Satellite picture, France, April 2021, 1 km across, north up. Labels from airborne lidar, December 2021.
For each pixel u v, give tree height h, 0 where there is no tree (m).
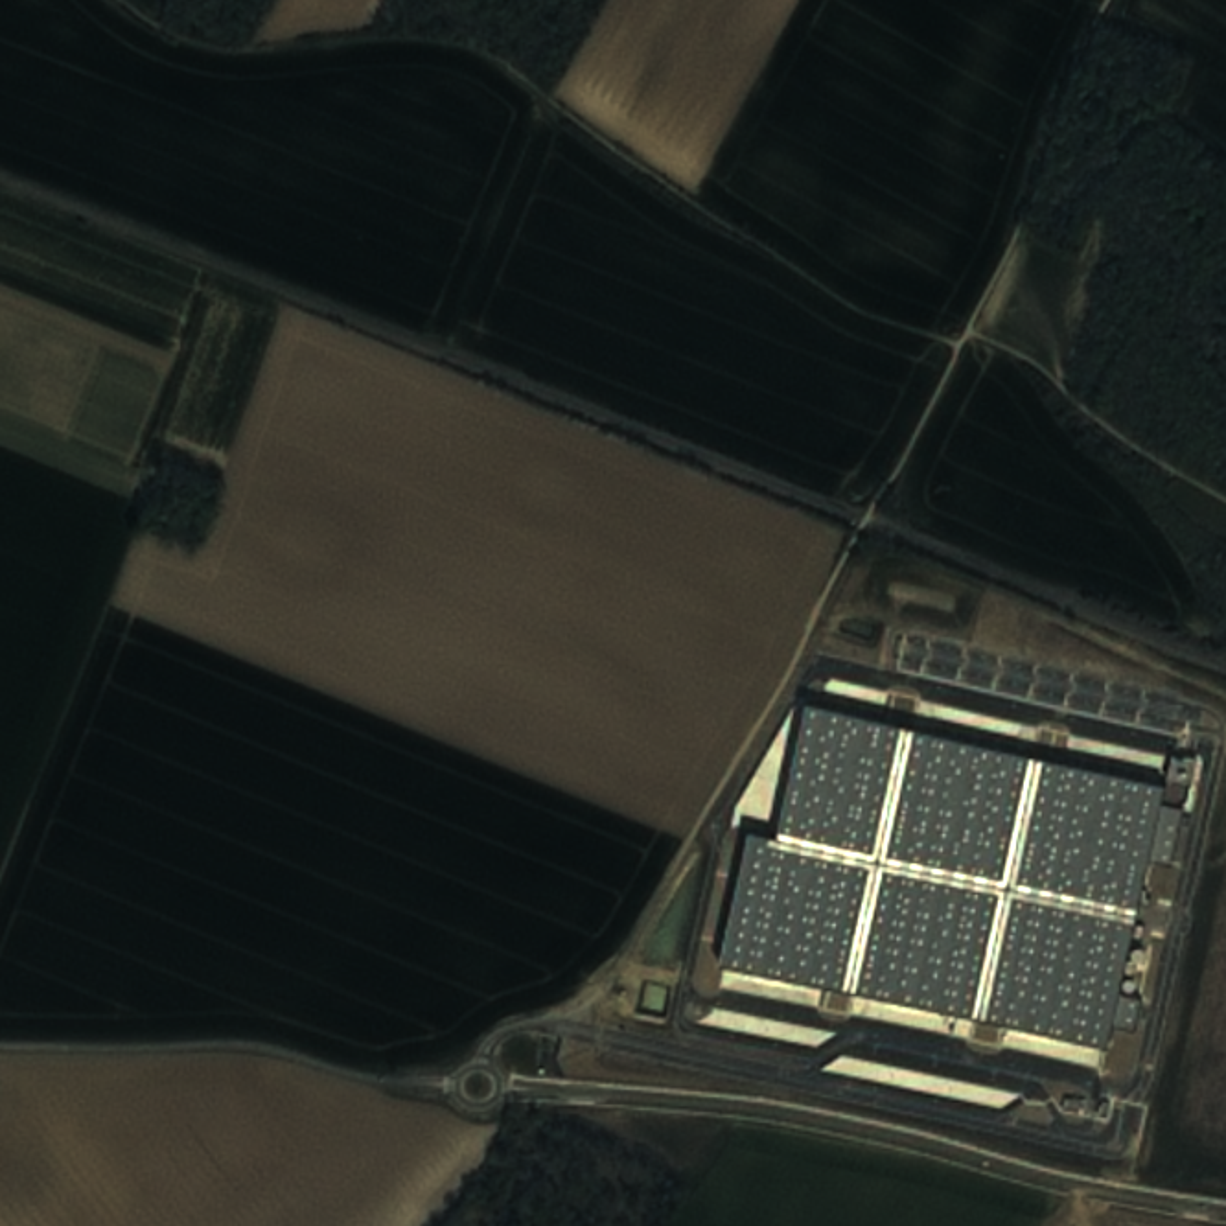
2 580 0
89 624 0
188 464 20
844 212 0
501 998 0
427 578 0
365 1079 0
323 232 0
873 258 0
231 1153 0
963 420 0
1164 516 6
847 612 0
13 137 0
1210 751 0
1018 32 0
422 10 19
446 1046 0
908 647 0
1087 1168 0
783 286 0
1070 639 0
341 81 0
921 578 0
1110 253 12
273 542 0
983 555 0
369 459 0
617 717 0
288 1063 0
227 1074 0
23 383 0
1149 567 0
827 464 0
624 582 0
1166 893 0
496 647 0
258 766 0
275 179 0
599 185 0
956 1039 0
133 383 0
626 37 0
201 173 0
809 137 0
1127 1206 0
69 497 0
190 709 0
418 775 0
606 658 0
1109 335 16
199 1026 0
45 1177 0
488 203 0
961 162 0
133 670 0
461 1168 0
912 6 0
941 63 0
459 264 0
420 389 0
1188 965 0
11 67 0
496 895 0
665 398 0
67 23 0
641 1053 0
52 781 0
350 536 0
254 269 0
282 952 0
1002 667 0
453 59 0
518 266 0
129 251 0
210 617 0
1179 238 23
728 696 0
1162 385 16
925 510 0
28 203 0
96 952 0
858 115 0
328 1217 0
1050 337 0
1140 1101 0
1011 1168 0
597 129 0
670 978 0
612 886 0
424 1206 0
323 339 0
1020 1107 0
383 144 0
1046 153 10
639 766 0
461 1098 0
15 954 0
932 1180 0
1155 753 0
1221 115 0
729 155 0
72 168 0
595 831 0
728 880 0
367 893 0
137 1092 0
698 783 0
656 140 0
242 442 0
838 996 0
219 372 0
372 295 0
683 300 0
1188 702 0
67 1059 0
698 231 0
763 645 0
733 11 0
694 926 0
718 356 0
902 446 0
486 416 0
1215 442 10
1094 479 0
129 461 0
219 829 0
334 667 0
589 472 0
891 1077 0
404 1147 0
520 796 0
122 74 0
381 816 0
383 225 0
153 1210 0
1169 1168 0
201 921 0
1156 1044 0
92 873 0
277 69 0
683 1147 0
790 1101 0
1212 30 0
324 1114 0
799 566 0
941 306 0
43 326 0
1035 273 0
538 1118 12
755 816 0
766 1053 0
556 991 0
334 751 0
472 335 0
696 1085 0
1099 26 14
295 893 0
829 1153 0
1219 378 21
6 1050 0
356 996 0
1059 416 10
